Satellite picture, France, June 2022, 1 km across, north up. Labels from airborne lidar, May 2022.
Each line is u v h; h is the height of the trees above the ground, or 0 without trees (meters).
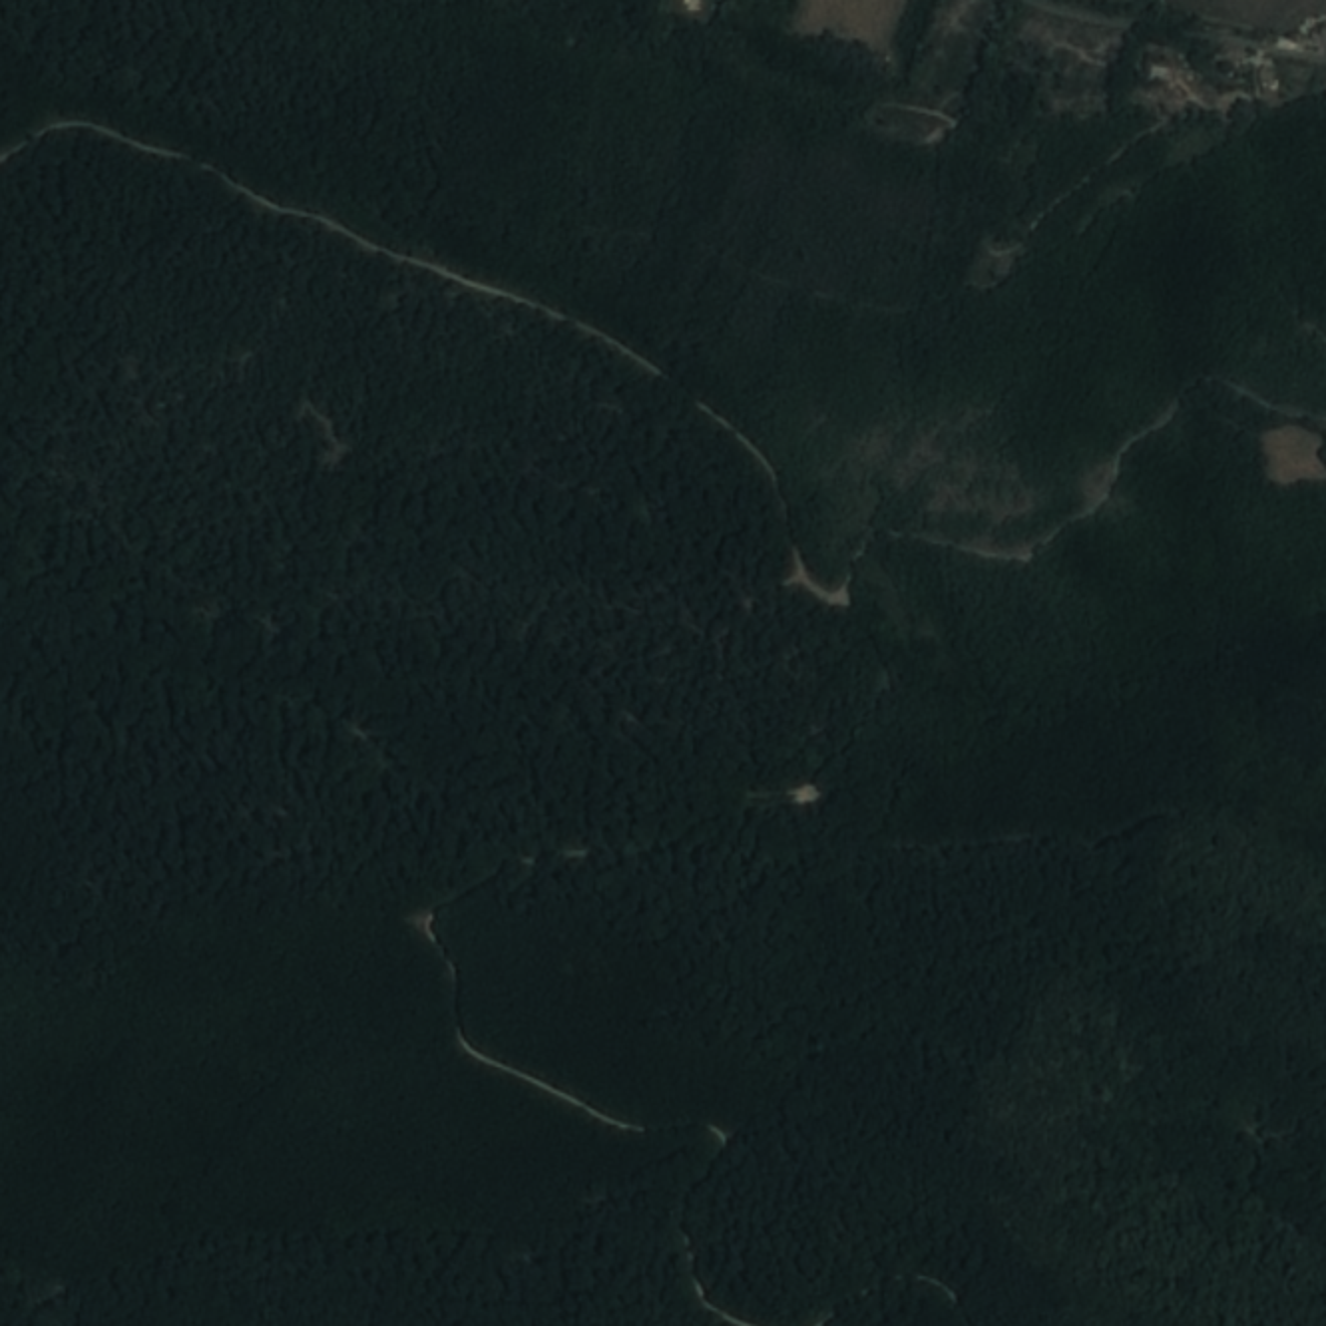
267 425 10
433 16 15
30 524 28
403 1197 21
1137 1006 19
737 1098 17
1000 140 11
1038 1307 17
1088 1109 22
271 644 21
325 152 17
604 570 27
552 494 38
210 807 28
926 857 21
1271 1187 22
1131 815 16
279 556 11
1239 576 9
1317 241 13
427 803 30
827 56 14
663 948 21
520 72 13
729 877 25
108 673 29
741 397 11
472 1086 14
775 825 22
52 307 30
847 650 9
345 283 15
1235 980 17
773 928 24
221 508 22
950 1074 23
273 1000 15
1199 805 11
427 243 7
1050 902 23
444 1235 27
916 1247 21
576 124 10
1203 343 8
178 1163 21
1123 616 10
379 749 24
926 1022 21
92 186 21
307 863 21
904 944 20
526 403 14
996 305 13
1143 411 6
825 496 12
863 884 22
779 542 14
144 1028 12
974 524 5
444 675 30
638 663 21
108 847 24
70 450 20
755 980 21
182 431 8
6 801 23
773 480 10
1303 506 8
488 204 11
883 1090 22
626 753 31
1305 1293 20
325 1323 28
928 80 0
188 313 11
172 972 14
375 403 14
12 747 29
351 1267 30
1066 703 16
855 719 16
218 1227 22
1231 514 8
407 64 12
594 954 21
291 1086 17
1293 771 15
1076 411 12
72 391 27
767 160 7
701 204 11
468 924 13
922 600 6
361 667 34
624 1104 13
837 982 25
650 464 25
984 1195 17
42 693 28
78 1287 27
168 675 23
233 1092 20
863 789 27
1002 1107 22
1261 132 10
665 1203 23
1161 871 20
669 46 16
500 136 12
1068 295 11
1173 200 12
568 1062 14
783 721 22
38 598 34
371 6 14
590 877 27
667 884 30
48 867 21
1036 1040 23
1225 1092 16
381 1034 16
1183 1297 25
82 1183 15
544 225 10
